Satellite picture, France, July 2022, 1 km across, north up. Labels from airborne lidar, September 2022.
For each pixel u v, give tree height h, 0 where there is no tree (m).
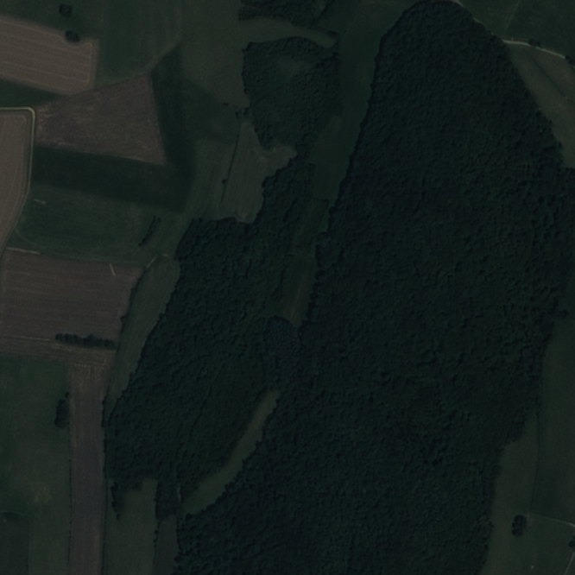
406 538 17
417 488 17
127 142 0
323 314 20
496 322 14
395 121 23
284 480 14
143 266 0
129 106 0
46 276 0
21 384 0
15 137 0
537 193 28
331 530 11
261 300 8
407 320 20
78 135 0
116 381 0
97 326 0
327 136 0
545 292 17
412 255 19
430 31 16
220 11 0
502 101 21
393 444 23
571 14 0
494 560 0
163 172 0
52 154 0
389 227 17
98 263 0
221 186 0
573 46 0
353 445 13
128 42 0
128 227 0
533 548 0
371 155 21
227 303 15
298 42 8
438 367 23
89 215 0
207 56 0
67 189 0
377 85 18
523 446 0
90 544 0
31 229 0
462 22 23
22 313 0
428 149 18
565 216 21
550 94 0
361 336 20
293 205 11
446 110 19
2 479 0
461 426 17
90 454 0
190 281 17
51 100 0
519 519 15
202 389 8
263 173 0
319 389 20
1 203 0
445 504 14
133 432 10
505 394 22
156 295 0
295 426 17
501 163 21
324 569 11
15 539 0
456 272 15
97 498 0
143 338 0
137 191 0
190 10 0
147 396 14
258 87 7
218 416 8
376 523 8
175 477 19
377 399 19
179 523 12
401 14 0
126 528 0
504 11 0
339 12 0
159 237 0
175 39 0
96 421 0
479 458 22
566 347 0
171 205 0
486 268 16
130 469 13
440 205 15
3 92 0
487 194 15
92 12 0
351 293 19
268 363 20
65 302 0
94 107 0
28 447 0
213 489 0
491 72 19
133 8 0
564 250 29
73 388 0
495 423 19
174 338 15
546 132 25
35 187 0
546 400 0
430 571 13
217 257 16
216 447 13
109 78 0
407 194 23
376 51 0
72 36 15
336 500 11
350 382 18
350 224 22
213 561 23
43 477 0
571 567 0
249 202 0
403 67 25
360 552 14
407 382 21
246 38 0
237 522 18
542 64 0
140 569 0
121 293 0
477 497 23
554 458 0
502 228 13
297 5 8
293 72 0
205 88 0
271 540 16
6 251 0
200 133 0
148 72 0
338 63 19
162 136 0
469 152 15
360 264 23
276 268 8
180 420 7
